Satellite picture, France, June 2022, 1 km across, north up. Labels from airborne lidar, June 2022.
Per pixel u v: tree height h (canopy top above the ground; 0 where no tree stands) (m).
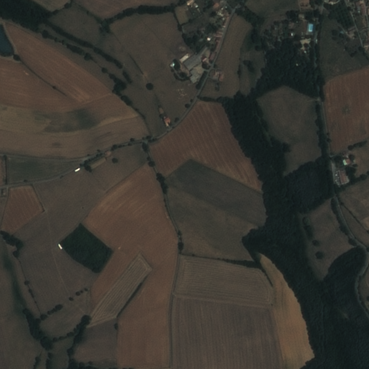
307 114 0
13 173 0
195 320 0
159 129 0
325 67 0
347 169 9
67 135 0
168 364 0
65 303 0
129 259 0
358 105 0
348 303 14
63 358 0
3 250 0
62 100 0
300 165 0
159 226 0
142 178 0
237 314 0
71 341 0
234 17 0
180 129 0
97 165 0
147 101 0
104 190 0
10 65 0
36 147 0
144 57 0
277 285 0
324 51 0
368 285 0
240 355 0
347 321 13
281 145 10
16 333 0
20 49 0
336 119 0
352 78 0
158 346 0
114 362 0
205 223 0
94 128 0
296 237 9
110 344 0
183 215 0
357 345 24
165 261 0
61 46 0
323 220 0
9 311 0
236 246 0
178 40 0
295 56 11
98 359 0
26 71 0
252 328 0
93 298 0
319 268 0
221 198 0
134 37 0
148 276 0
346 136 0
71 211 0
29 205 0
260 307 0
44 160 0
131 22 0
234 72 0
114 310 0
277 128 0
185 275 0
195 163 0
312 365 16
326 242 0
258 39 19
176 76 8
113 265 0
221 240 0
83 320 15
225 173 0
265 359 0
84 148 0
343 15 8
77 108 0
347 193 0
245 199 0
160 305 0
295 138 0
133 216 0
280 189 19
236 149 0
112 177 0
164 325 0
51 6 0
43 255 0
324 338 19
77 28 0
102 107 0
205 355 0
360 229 0
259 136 21
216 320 0
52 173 0
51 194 0
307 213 16
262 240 22
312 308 19
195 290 0
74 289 0
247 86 0
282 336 0
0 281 0
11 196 0
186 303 0
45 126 0
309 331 14
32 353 0
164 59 0
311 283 18
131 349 0
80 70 0
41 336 26
